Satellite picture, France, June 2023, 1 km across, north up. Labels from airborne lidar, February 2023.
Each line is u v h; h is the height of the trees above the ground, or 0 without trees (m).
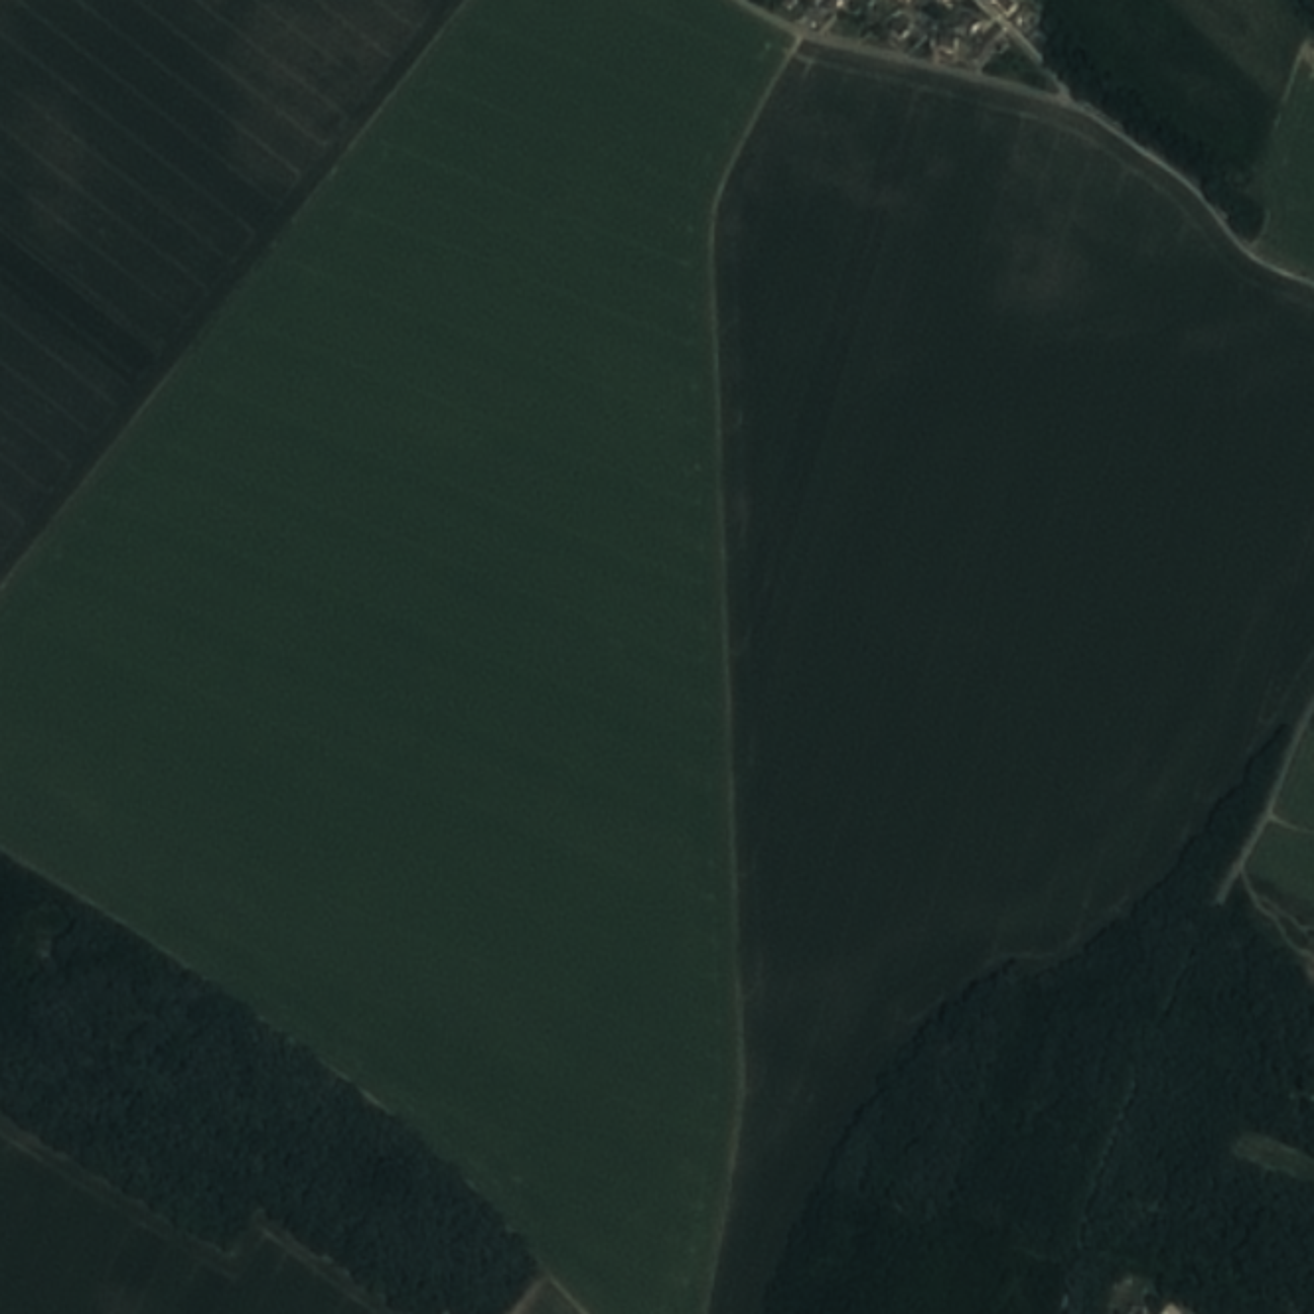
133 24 0
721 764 0
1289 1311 22
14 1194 0
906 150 0
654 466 0
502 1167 0
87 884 0
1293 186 0
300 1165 20
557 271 0
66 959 19
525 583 0
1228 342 0
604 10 0
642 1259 0
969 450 0
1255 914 0
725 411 0
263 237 0
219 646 0
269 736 0
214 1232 15
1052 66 11
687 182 0
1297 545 0
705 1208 0
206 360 0
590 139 0
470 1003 0
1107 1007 15
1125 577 0
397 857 0
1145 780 0
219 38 0
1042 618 0
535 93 0
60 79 0
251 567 0
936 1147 19
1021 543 0
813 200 0
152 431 0
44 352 0
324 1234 16
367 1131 16
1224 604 0
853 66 0
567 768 0
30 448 0
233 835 0
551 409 0
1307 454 0
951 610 0
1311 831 0
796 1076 0
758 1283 0
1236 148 0
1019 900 0
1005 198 0
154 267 0
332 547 0
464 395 0
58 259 0
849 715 0
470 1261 19
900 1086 18
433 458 0
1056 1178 11
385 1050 0
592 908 0
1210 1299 20
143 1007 19
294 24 0
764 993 0
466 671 0
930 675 0
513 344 0
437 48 0
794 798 0
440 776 0
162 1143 18
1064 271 0
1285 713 0
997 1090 12
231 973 0
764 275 0
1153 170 0
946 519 0
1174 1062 19
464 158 0
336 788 0
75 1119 18
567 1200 0
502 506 0
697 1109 0
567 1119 0
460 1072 0
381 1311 0
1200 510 0
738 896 0
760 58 0
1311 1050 23
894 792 0
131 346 0
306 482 0
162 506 0
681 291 0
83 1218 0
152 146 0
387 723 0
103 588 0
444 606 0
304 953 0
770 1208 0
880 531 0
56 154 0
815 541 0
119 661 0
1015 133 0
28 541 0
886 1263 8
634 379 0
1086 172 0
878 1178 21
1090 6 0
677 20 0
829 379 0
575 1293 0
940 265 0
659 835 0
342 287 0
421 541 0
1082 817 0
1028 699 0
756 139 0
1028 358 0
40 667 0
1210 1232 22
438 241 0
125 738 0
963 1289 7
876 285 0
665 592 0
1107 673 0
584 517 0
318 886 0
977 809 0
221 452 0
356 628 0
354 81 0
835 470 0
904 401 0
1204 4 0
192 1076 22
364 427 0
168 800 0
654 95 0
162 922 0
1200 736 0
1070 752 0
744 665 0
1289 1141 13
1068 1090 15
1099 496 0
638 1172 0
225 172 0
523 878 0
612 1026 0
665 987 0
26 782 0
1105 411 0
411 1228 15
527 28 0
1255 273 0
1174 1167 13
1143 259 0
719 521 0
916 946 0
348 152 0
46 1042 20
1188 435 0
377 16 0
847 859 0
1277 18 0
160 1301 0
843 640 0
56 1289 0
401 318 0
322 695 0
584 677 0
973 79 0
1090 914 0
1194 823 0
